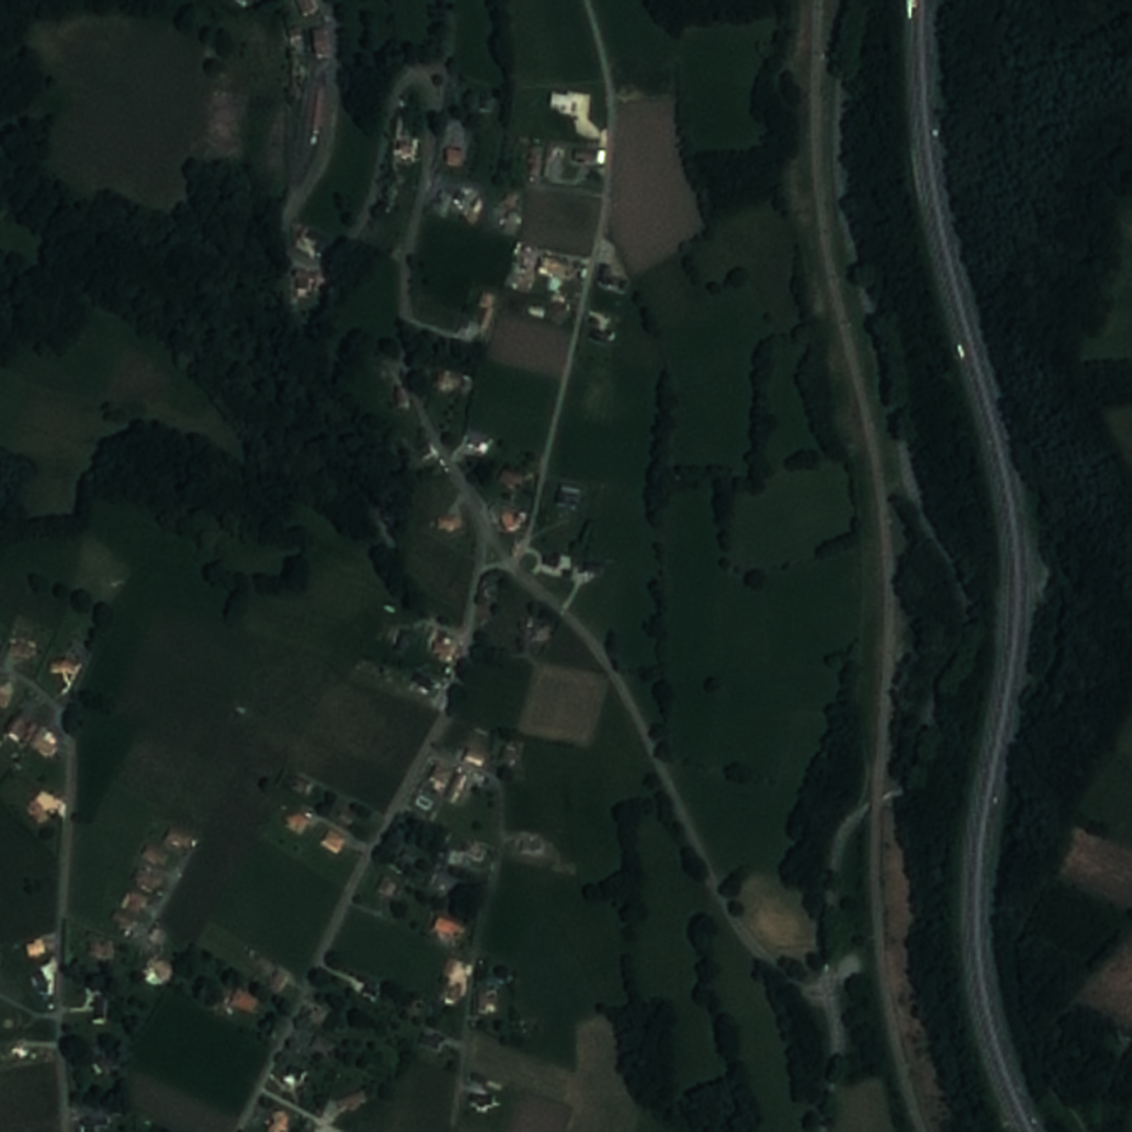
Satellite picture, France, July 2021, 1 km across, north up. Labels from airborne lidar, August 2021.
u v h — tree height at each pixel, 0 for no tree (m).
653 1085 27
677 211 0
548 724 0
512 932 0
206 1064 0
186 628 0
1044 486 23
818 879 22
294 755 0
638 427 0
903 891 0
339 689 0
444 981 8
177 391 0
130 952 8
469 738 0
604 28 0
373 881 0
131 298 22
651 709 0
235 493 15
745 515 0
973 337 0
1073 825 17
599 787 0
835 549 19
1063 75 29
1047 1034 17
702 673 0
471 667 15
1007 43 17
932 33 0
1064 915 7
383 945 0
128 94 0
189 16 19
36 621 0
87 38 0
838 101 0
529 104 0
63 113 0
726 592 0
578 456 0
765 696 0
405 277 0
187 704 0
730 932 0
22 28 22
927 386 19
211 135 0
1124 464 21
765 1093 0
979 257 22
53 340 26
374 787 0
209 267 25
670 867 0
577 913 0
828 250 0
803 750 0
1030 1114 0
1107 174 24
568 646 0
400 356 18
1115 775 0
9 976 0
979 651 28
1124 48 21
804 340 17
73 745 0
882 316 13
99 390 0
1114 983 0
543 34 0
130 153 0
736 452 0
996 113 22
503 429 0
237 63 0
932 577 14
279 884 0
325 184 0
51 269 25
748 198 14
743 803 0
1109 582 23
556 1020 0
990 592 22
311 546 16
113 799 0
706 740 0
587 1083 0
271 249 27
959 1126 8
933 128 0
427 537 0
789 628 0
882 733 0
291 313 10
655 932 0
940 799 19
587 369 0
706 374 0
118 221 9
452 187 0
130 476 25
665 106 0
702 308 0
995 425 0
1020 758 27
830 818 15
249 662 0
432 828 12
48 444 0
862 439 0
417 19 0
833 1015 0
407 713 0
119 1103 17
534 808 0
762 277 0
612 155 0
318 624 0
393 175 7
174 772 0
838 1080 23
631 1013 19
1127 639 24
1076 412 24
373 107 20
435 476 13
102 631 10
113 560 0
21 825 0
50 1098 0
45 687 0
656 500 20
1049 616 9
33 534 21
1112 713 26
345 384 22
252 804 0
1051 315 21
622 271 0
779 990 18
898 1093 0
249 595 12
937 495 28
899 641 0
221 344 28
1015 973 10
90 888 0
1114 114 21
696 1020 0
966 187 21
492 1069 0
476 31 0
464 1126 0
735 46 0
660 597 17
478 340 7
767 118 17
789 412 0
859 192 21
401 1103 0
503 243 0
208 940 0
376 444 21
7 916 0
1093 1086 20
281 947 0
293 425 26
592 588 0
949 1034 9
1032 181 23
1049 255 24
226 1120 0
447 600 0
